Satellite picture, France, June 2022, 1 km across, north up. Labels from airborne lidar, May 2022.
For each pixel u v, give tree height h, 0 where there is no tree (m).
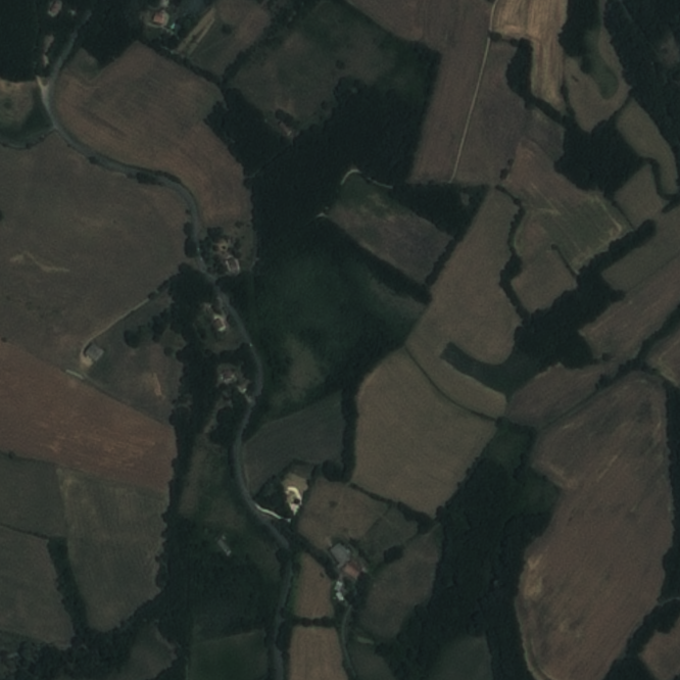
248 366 13
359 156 17
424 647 20
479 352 0
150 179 17
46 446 0
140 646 0
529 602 0
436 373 0
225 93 11
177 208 0
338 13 0
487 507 22
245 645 0
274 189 16
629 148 11
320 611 0
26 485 0
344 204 0
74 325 0
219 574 12
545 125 0
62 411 0
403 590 0
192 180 0
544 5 0
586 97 0
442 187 11
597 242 0
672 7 16
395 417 0
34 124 0
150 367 0
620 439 0
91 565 0
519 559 16
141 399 0
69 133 0
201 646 0
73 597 7
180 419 14
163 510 0
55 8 0
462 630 20
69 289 0
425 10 0
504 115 0
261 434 0
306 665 0
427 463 0
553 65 0
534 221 0
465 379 0
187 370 13
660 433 0
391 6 0
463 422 0
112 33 16
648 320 0
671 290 0
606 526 0
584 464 0
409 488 0
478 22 0
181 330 11
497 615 19
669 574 9
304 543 11
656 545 0
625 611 0
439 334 0
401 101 19
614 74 0
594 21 21
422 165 0
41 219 0
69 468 0
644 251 0
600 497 0
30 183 0
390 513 0
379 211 0
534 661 0
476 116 0
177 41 16
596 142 19
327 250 9
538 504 0
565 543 0
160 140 0
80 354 0
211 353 10
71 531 0
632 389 0
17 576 0
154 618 15
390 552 13
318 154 14
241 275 11
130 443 0
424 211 15
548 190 0
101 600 0
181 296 17
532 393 0
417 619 7
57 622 0
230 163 0
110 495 0
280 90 0
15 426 0
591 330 0
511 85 10
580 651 0
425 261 0
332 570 22
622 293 13
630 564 0
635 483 0
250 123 15
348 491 0
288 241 13
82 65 0
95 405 0
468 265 0
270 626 11
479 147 0
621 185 11
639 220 0
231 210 0
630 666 12
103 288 0
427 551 0
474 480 13
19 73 12
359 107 17
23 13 12
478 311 0
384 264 14
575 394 0
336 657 0
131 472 0
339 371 8
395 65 0
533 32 0
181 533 6
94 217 0
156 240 0
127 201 0
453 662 0
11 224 0
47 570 0
